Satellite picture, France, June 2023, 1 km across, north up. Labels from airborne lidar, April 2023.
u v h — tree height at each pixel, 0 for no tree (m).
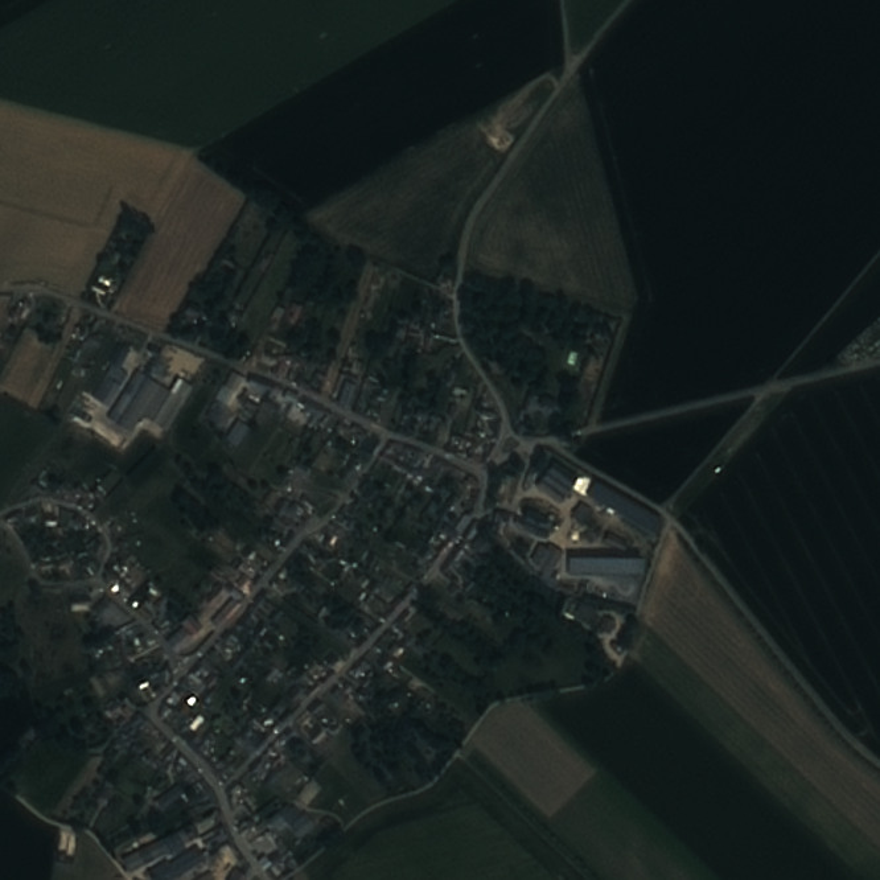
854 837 0
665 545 0
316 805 0
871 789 0
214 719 7
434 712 8
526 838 0
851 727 0
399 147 0
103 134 0
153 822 19
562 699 0
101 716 7
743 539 0
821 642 0
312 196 0
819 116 0
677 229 0
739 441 0
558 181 0
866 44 0
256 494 0
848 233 0
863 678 0
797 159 0
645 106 0
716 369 0
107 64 0
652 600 0
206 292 7
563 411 17
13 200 0
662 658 0
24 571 0
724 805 0
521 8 0
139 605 6
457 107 0
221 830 0
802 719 0
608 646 0
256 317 0
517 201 0
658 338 0
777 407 0
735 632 0
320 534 0
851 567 0
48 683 0
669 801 0
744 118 0
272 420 0
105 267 10
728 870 0
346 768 0
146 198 0
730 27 0
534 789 0
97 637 13
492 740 0
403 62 0
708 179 0
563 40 0
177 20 0
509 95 0
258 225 0
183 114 0
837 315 0
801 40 0
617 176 0
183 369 0
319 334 7
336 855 0
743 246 0
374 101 0
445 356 0
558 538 0
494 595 7
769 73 0
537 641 15
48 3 0
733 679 0
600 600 7
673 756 0
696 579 0
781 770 0
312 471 6
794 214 0
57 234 0
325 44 0
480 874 0
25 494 0
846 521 0
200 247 0
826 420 0
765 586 0
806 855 0
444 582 0
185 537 0
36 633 0
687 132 0
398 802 0
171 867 0
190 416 0
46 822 0
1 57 0
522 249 0
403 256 0
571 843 0
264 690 0
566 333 10
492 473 17
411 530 0
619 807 0
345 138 0
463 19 0
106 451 0
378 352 17
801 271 0
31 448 0
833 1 0
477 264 0
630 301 0
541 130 0
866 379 0
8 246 0
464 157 0
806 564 0
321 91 0
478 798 0
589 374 0
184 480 0
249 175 0
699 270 0
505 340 28
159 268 0
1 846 0
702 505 0
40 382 0
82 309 0
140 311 0
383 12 0
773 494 0
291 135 0
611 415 0
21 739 0
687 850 0
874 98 0
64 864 0
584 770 0
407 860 0
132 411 0
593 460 0
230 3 0
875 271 0
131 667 8
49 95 0
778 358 0
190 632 0
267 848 0
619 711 0
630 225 0
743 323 0
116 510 0
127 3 0
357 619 10
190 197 0
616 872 0
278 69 0
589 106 0
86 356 0
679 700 0
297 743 10
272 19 0
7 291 0
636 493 0
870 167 0
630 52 0
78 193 0
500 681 0
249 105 0
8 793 11
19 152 0
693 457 0
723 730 0
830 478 0
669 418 0
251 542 0
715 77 0
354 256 20
